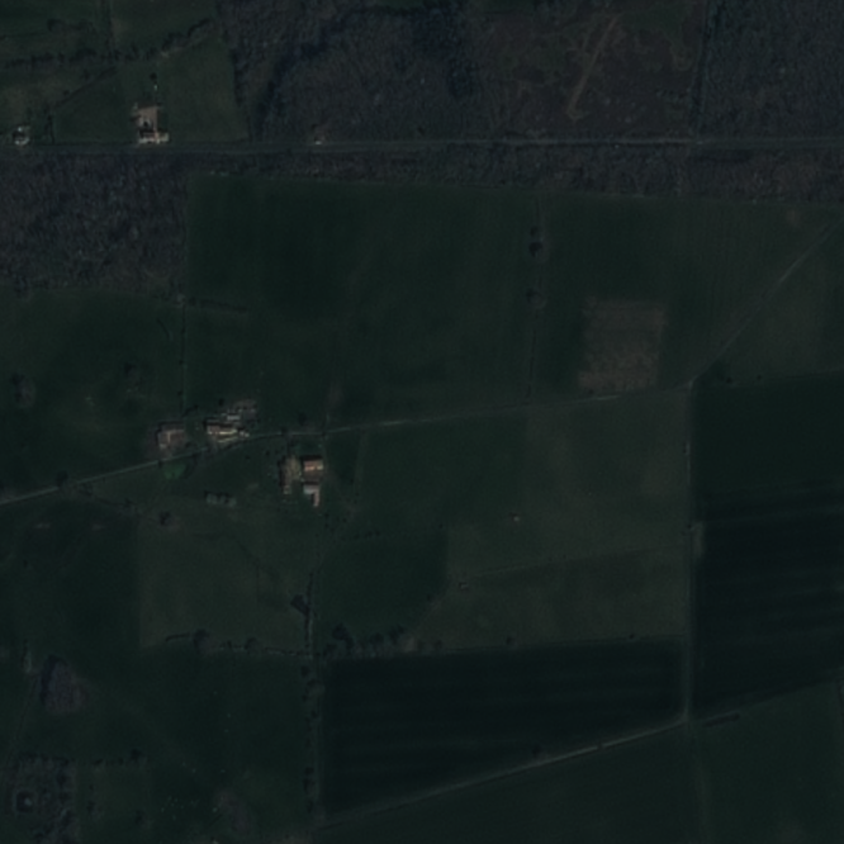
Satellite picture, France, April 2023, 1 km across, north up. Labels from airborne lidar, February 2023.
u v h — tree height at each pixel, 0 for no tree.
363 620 0
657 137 11
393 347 0
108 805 0
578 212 0
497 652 0
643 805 0
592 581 0
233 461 0
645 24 0
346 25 16
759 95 24
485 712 0
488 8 0
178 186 16
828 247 0
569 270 0
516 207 0
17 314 0
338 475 0
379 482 0
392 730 0
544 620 0
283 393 0
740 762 0
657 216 0
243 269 0
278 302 0
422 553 0
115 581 0
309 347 0
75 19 0
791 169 12
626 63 0
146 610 0
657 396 0
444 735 0
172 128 0
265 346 0
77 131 0
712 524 0
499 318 0
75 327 0
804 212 0
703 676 0
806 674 0
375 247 0
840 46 20
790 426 0
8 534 0
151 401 0
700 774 0
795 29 19
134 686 0
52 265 12
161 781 0
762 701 0
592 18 0
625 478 0
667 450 0
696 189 12
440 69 23
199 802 0
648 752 0
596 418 0
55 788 0
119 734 0
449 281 0
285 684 0
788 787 0
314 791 15
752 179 11
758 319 0
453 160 13
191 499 0
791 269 0
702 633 0
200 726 0
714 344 0
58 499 0
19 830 0
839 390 0
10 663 0
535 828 0
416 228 0
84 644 0
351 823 0
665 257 0
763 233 0
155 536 0
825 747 0
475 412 0
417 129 17
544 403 0
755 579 0
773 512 0
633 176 15
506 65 0
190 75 0
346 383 0
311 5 17
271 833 0
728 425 0
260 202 0
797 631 0
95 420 0
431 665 0
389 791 0
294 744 0
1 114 0
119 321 0
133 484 0
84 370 0
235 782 0
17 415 0
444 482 0
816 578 0
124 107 0
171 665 0
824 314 0
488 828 0
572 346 0
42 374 0
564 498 0
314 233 0
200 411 8
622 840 0
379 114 19
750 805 0
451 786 0
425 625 0
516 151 6
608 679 0
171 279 12
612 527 0
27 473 0
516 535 0
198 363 0
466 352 0
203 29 11
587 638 0
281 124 20
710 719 0
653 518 0
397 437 0
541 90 0
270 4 21
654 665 0
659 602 0
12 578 0
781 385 0
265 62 12
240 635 0
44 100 0
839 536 0
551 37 0
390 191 0
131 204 19
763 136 14
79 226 17
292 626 0
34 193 16
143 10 0
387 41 30
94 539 0
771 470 0
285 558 0
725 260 0
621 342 0
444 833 0
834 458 0
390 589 0
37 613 0
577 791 0
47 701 17
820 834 0
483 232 0
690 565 0
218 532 0
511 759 0
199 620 0
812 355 0
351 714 0
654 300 0
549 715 0
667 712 0
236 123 0
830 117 16
